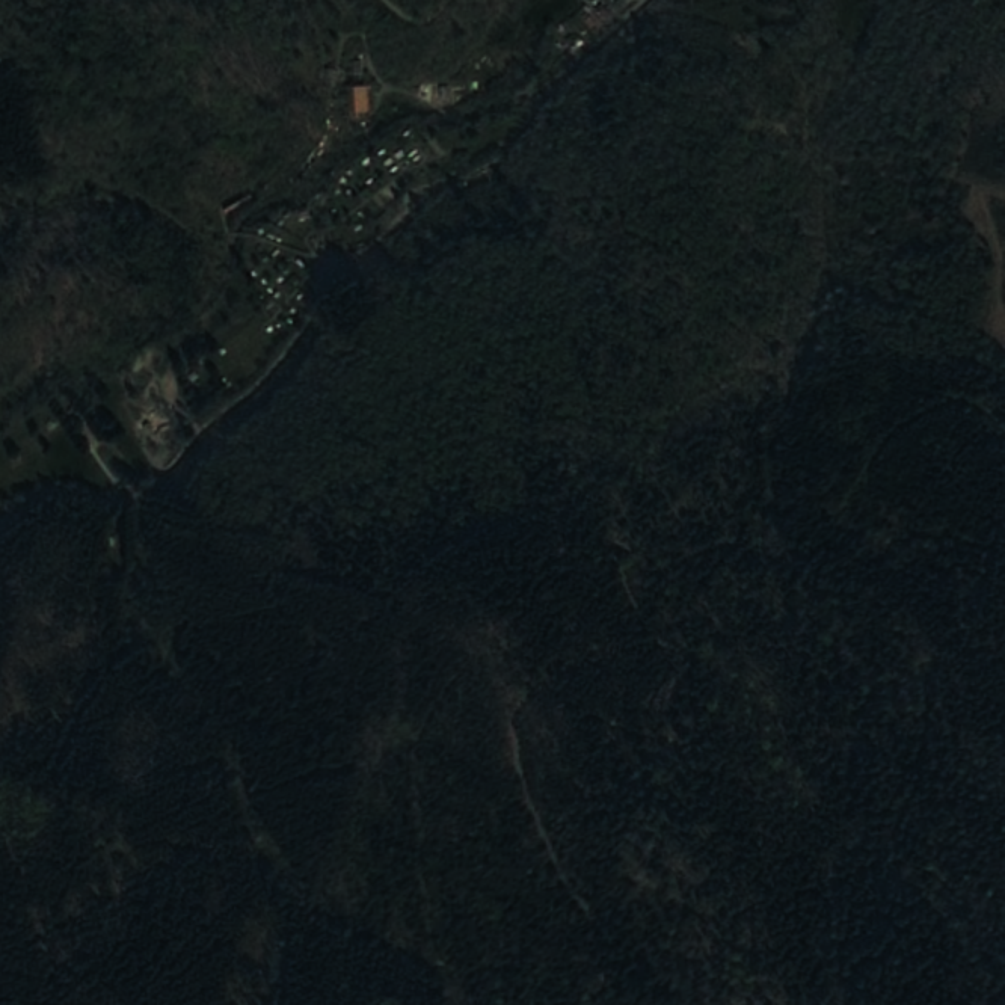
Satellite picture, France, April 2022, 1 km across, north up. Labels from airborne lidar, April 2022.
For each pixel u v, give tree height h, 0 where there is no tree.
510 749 15
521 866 18
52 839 24
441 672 15
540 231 10
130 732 19
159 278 11
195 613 23
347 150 15
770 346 13
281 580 14
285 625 19
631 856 8
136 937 20
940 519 10
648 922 8
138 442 0
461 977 21
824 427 8
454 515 15
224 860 29
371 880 11
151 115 20
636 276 8
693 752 32
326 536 12
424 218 9
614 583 27
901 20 23
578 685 24
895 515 15
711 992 13
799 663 32
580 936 18
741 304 9
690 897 7
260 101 14
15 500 14
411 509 19
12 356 30
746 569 35
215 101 18
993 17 13
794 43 17
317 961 23
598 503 24
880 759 32
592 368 17
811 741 33
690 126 16
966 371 19
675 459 18
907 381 11
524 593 26
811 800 34
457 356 16
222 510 14
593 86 13
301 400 11
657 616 30
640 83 12
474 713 13
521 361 13
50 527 18
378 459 18
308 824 22
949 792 22
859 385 13
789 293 11
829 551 14
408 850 11
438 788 12
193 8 21
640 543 9
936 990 32
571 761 16
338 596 17
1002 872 19
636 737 26
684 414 13
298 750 22
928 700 13
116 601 26
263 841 20
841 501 9
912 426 10
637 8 0
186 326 19
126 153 17
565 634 26
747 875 32
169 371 0
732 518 37
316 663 18
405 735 17
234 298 15
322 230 16
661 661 27
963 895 20
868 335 14
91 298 23
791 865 34
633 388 18
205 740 38
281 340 12
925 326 22
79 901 21
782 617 21
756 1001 17
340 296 35
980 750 17
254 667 23
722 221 14
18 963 20
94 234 16
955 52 19
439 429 16
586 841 15
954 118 18
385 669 14
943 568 11
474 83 0
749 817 33
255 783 26
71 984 20
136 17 20
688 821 34
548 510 22
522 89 20
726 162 23
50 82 8
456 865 12
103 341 20
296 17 13
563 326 10
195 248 8
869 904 29
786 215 19
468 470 18
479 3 25
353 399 16
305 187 17
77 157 23
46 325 25
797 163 13
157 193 10
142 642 35
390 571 14
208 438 0
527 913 18
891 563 21
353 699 19
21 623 18
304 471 12
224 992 23
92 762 24
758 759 34
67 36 9
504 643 16
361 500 11
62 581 21
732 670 30
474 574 26
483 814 13
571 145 19
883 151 15
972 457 16
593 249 8
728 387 14
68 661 25
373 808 10
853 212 9
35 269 22
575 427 13
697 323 12
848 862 34
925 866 27
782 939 34
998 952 24
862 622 20
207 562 24
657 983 29
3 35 20
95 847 16
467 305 15
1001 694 20
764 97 7
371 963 26
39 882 20
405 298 20
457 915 12
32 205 11
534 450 16
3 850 21
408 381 18
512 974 18
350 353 17
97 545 25
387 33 18
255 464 10
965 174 0
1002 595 29
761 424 18
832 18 20
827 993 50
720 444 27
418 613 14
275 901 33
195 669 29
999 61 18
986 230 0
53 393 25
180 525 20
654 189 17
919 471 9
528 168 18
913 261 20
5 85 23
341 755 16
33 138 24
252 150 16
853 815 38
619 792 9
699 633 21
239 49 20
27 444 0
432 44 19
